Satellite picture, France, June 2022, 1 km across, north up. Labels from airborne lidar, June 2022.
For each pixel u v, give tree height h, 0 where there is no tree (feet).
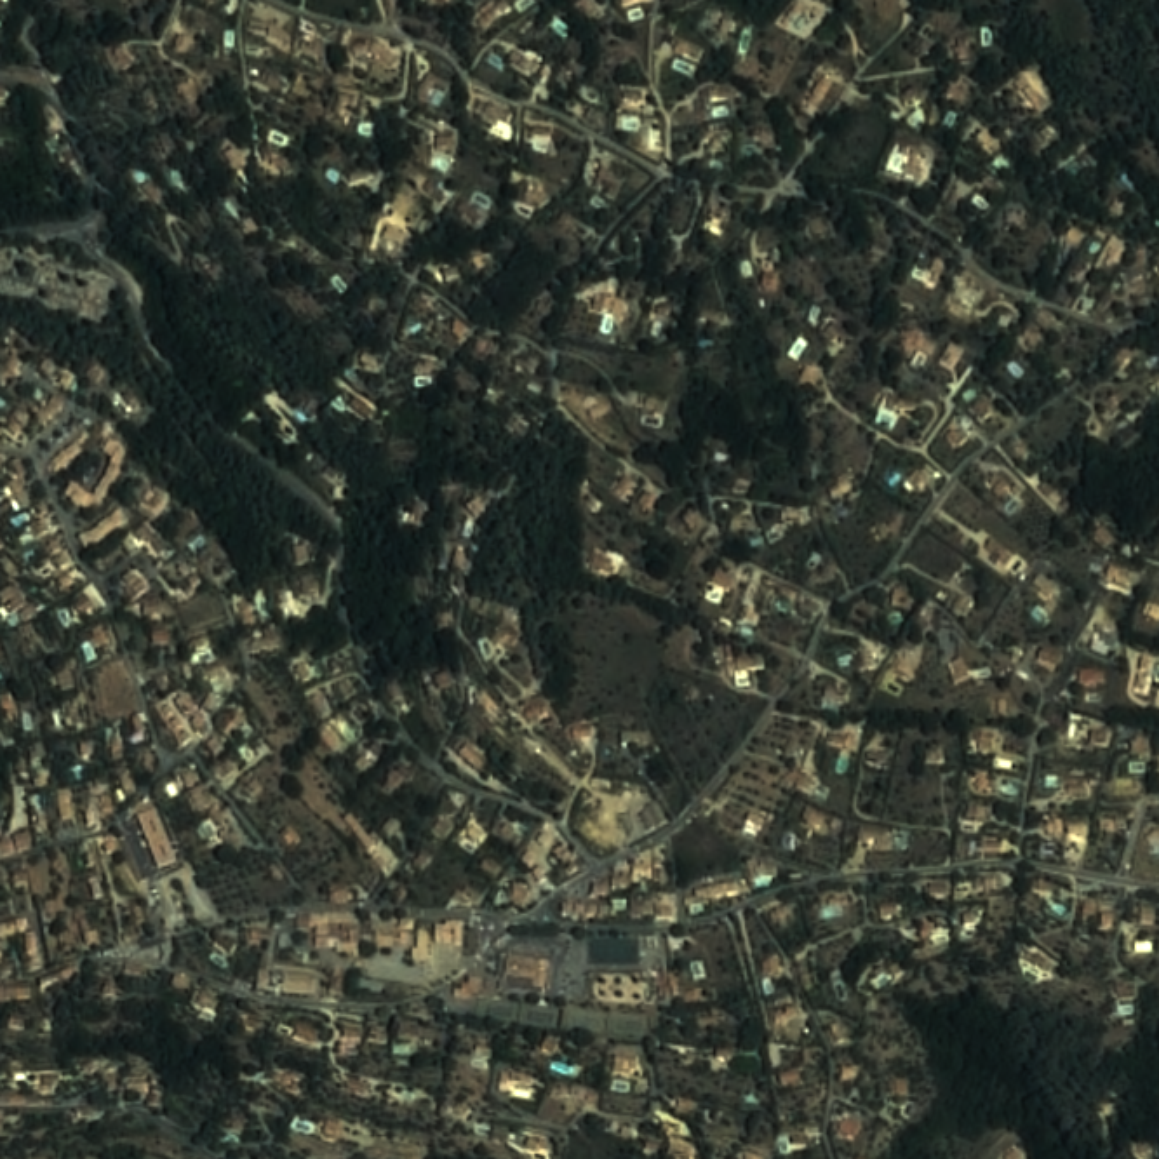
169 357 40
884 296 42
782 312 30
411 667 32
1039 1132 85
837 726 35
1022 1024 69
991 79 46
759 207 22
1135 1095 62
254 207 30
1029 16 59
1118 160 56
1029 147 38
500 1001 0
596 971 0
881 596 40
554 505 53
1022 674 0
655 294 40
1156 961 18
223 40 0
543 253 40
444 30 35
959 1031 41
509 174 21
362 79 37
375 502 37
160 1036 30
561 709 25
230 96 50
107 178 26
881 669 21
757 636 0
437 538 31
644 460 48
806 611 0
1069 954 27
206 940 31
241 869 33
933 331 35
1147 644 36
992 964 20
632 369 36
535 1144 0
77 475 41
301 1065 39
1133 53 35
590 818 0
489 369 29
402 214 0
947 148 34
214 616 0
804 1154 29
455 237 55
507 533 58
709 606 0
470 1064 0
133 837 0
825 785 0
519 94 19
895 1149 27
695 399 31
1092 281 48
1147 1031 35
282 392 67
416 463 38
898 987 21
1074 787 0
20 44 24
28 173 22
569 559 54
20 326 52
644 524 20
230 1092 27
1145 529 39
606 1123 28
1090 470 58
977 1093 33
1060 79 57
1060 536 35
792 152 49
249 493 64
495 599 46
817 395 22
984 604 38
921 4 62
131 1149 18
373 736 35
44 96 33
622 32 36
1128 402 25
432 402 52
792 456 26
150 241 21
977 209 34
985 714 0
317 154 49
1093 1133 83
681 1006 36
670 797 0
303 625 23
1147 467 63
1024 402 35
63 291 0
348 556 31
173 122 36
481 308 42
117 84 37
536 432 22
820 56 29
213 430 75
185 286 49
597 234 23
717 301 0
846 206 37
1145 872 0
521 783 30
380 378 40
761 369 36
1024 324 38
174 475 51
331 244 36
